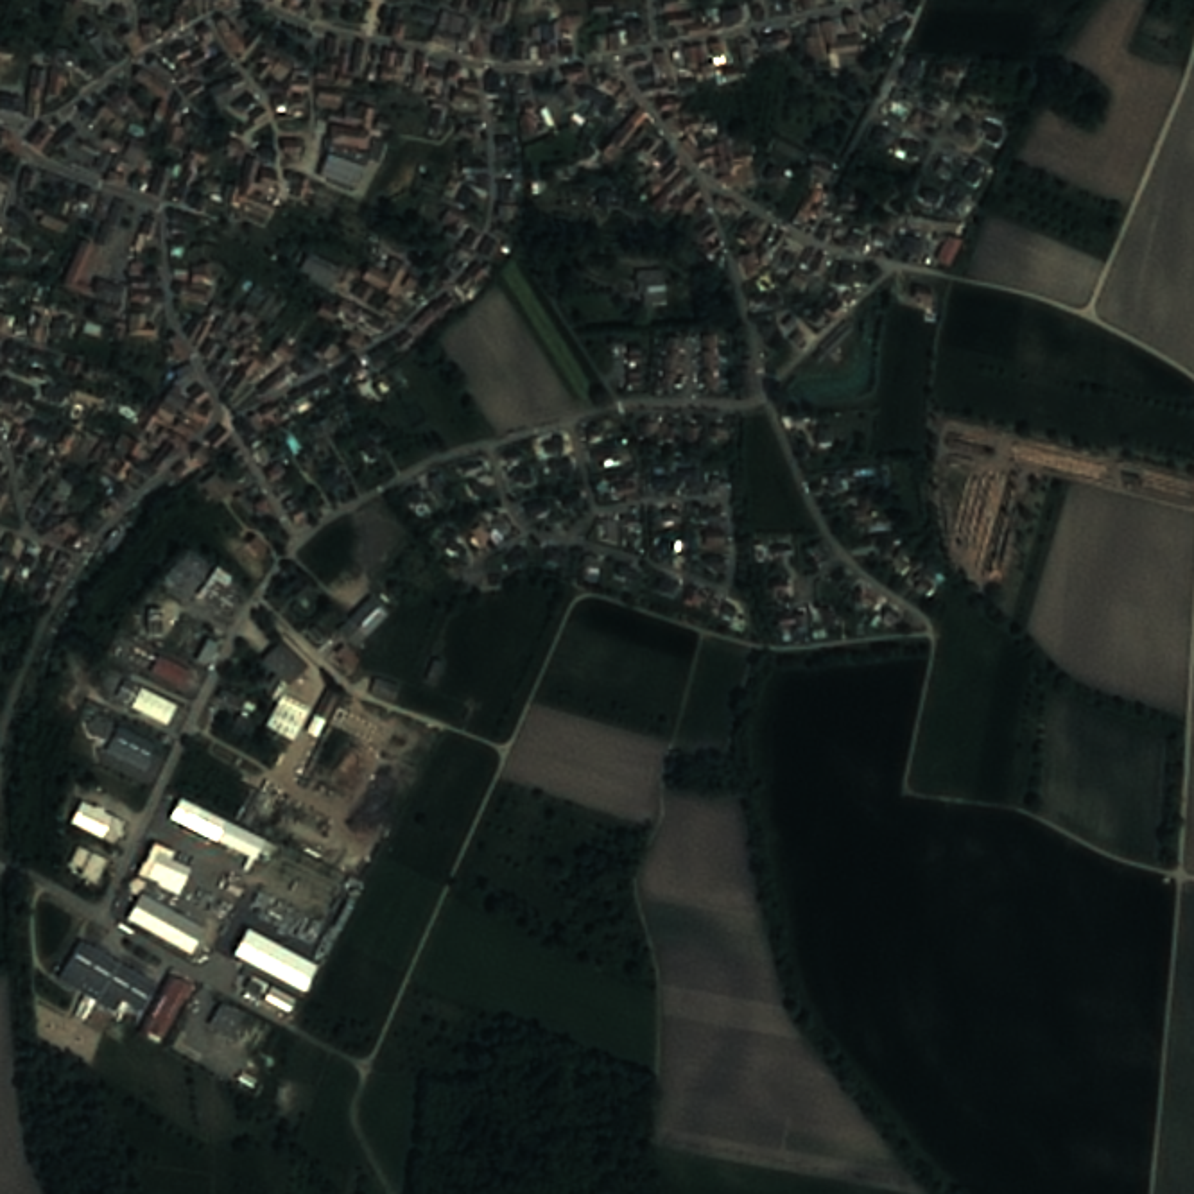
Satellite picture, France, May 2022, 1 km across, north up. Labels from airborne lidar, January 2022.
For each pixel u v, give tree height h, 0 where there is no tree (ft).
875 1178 0
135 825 0
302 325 0
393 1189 0
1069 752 0
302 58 45
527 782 0
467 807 0
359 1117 0
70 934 0
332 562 0
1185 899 0
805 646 0
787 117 22
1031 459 0
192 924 0
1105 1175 0
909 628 33
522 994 0
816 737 0
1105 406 0
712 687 0
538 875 0
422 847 0
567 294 21
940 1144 0
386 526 0
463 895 0
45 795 0
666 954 0
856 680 0
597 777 0
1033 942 0
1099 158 0
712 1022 0
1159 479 0
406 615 0
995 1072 0
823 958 0
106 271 31
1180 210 0
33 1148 36
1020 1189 0
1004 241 0
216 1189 0
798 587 0
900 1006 0
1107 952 0
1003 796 0
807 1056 0
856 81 44
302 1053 0
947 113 0
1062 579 0
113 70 0
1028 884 0
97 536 0
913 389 0
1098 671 0
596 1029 0
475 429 0
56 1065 64
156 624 0
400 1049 0
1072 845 0
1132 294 0
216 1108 0
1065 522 0
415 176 0
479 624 0
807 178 33
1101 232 0
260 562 0
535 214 26
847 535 21
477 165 0
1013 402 0
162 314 0
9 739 0
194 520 0
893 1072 0
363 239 0
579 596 0
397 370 0
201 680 0
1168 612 0
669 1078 0
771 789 0
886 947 0
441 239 28
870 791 0
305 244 34
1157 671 0
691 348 0
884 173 27
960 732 0
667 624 0
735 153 0
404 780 0
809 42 0
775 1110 0
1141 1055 0
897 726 0
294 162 0
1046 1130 0
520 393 0
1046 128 0
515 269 0
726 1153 0
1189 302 0
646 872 0
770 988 0
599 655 0
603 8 0
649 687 0
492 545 21
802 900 0
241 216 0
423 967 0
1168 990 0
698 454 37
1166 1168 0
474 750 0
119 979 0
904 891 0
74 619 43
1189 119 0
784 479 0
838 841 0
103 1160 56
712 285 46
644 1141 41
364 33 0
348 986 0
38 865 0
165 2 0
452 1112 59
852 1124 0
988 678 0
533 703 0
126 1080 0
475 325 0
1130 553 0
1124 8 0
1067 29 17
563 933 51
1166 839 41
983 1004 0
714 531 26
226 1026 0
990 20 0
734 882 0
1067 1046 0
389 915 0
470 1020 0
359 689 0
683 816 0
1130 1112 0
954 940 0
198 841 0
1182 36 0
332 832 0
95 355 0
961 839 0
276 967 0
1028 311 0
